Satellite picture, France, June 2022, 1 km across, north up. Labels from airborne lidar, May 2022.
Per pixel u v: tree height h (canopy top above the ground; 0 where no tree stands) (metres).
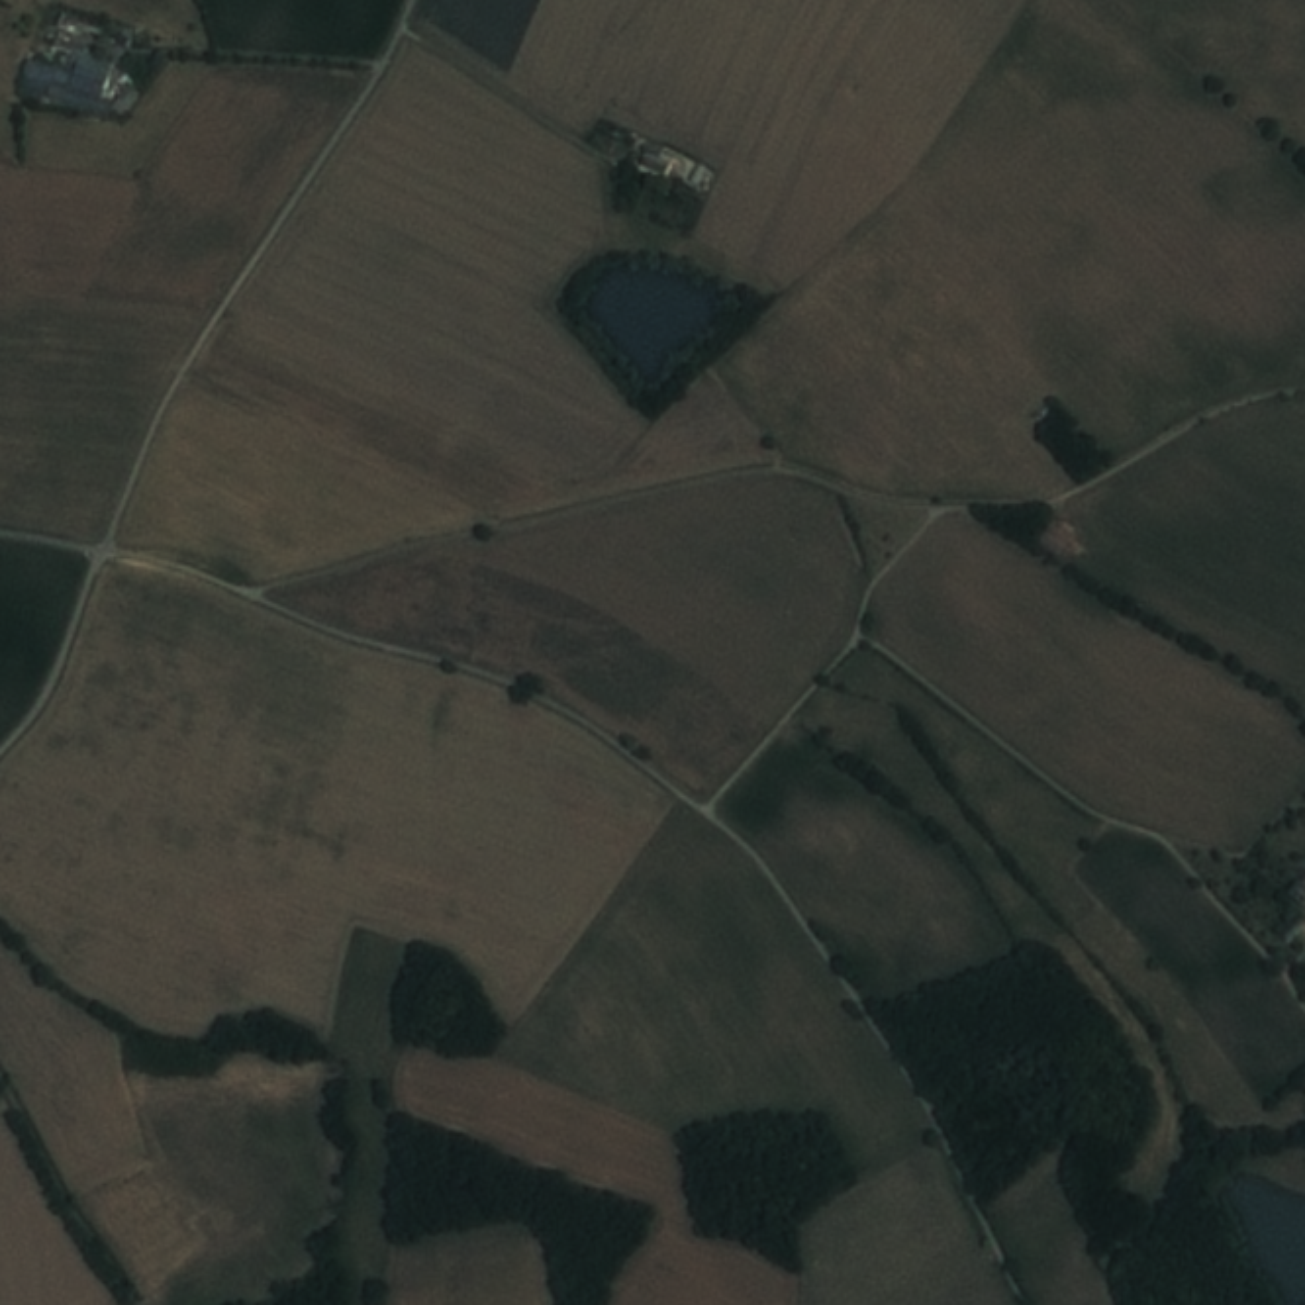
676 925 0
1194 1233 22
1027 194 0
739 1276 0
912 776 0
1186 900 0
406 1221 23
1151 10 0
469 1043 21
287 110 0
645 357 0
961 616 0
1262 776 0
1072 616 0
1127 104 0
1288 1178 0
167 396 0
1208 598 0
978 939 0
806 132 0
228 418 0
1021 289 0
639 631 0
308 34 0
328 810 0
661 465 0
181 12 0
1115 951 0
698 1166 17
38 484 0
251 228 0
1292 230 0
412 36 0
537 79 0
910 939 0
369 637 0
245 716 0
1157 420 0
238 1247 0
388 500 0
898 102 0
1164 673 0
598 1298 17
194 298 0
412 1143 22
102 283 0
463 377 0
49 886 0
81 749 0
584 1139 0
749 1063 0
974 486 0
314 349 0
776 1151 17
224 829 0
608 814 0
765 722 0
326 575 0
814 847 0
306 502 0
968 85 0
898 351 0
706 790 0
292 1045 19
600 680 0
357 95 0
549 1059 0
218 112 0
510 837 0
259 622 0
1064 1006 22
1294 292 0
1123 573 0
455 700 0
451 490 0
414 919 0
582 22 0
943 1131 11
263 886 0
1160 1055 6
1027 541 13
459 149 0
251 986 0
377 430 0
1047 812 0
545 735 0
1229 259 0
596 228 0
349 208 0
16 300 0
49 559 0
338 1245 14
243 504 0
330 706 0
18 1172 0
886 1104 0
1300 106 0
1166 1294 16
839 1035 0
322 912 0
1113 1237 13
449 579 0
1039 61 0
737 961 0
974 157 0
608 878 0
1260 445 0
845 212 0
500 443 0
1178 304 0
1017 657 0
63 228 0
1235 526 0
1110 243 0
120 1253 0
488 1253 0
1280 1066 0
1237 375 0
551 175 0
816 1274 0
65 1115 0
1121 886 0
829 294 0
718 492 0
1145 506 0
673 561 0
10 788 0
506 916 0
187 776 0
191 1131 0
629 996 0
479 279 0
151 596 0
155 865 0
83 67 0
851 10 0
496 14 0
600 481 0
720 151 0
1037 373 0
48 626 0
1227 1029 0
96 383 0
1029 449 0
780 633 0
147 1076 0
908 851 0
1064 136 0
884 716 0
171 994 0
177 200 0
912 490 0
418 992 18
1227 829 0
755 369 0
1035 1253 0
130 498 0
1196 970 0
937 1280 0
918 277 0
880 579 0
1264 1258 0
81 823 0
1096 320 0
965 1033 18
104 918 0
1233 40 0
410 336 0
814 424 0
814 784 0
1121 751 0
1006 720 0
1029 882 6
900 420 0
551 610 0
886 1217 0
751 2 0
